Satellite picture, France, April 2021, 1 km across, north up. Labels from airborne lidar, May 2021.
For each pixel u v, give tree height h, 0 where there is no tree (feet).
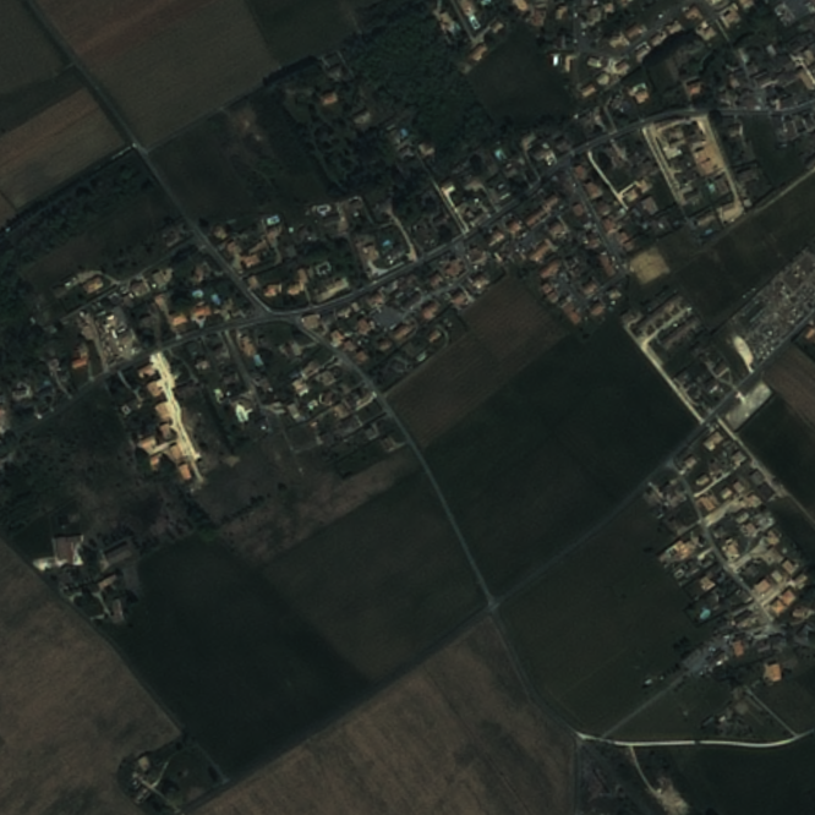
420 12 50
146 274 0
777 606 0
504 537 0
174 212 0
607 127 50
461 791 0
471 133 52
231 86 0
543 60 0
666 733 0
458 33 23
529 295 0
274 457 0
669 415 0
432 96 33
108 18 0
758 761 0
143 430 31
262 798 0
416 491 0
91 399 0
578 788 0
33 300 62
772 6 26
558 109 0
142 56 0
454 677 0
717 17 0
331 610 0
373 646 0
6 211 0
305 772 0
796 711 0
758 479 0
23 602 0
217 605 0
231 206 0
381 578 0
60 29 0
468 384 0
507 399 0
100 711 0
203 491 0
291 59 0
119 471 0
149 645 0
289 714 0
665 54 42
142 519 0
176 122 0
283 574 0
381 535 0
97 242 0
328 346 0
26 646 0
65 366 28
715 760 0
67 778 0
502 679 0
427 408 0
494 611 0
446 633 0
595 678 0
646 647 0
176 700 0
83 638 0
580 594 0
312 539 0
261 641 0
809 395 0
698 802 0
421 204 39
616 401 0
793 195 0
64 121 0
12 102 0
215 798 0
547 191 20
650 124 0
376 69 64
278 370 0
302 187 0
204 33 0
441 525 0
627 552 0
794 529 0
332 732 0
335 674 0
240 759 0
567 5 23
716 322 0
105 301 26
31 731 0
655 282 0
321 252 57
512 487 0
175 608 0
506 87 0
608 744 39
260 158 0
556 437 0
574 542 0
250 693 0
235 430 26
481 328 0
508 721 0
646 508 0
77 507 0
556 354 0
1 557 0
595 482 0
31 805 0
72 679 0
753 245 0
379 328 21
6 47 0
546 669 0
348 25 0
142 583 0
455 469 0
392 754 0
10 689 0
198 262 54
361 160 35
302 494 0
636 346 0
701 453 0
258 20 0
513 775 0
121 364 0
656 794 0
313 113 28
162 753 0
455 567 0
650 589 0
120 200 32
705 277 0
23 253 43
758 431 0
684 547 0
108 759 0
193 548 0
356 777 0
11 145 0
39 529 0
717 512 0
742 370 0
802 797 0
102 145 0
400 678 0
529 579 0
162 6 0
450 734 0
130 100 0
